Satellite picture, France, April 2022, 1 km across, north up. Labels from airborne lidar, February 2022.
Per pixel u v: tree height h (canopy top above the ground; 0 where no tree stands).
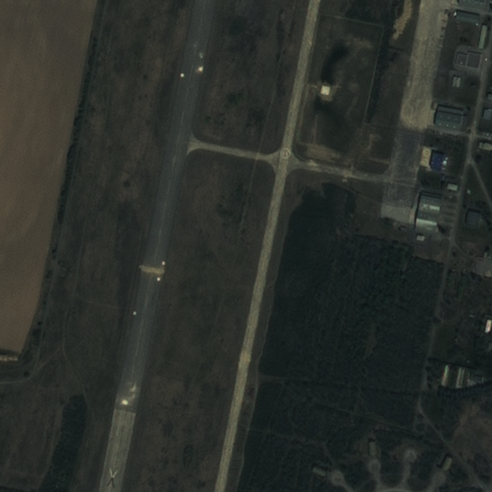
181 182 0
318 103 0
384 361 17
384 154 0
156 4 0
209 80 0
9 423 0
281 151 0
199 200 0
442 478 0
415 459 0
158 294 0
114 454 0
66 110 0
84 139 0
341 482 0
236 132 0
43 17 0
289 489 13
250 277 0
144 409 0
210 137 0
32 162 0
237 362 0
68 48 0
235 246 0
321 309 11
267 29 0
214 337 0
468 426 0
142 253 0
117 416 0
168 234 0
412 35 0
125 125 0
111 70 0
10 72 0
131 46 0
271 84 0
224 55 0
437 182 0
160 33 0
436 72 0
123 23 0
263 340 0
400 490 0
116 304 0
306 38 0
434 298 14
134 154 0
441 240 0
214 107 0
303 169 0
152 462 0
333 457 7
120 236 0
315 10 0
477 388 10
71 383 0
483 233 0
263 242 0
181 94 0
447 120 0
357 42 0
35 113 0
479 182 0
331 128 0
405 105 0
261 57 0
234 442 0
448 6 0
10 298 0
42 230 0
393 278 14
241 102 0
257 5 0
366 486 0
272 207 0
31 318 0
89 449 0
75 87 0
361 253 10
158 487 0
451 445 0
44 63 0
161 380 0
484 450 0
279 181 0
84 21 0
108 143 0
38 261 0
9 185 0
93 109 0
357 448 0
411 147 0
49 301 0
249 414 0
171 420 0
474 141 0
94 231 0
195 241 0
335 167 0
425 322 9
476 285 0
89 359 0
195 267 0
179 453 0
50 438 0
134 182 0
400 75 0
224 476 0
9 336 0
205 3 0
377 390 13
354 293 14
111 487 0
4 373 0
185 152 0
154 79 0
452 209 0
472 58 0
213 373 0
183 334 0
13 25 0
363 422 15
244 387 0
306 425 15
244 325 0
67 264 0
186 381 0
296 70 0
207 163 0
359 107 0
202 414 0
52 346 0
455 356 16
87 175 0
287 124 0
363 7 0
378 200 0
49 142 0
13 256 0
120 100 0
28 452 0
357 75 0
